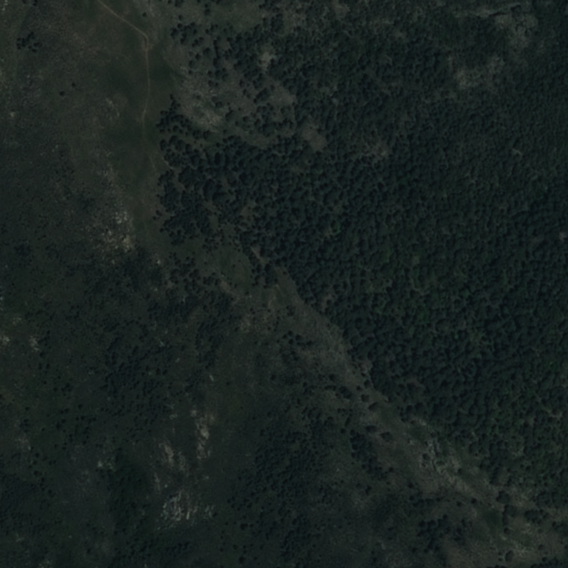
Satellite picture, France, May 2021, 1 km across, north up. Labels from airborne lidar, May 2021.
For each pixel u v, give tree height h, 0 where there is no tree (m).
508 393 9
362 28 8
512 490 0
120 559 12
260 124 11
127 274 8
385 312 11
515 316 19
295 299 0
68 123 0
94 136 0
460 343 23
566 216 14
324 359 0
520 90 15
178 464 0
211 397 0
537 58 6
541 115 10
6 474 10
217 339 13
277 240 18
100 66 0
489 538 0
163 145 12
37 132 0
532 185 7
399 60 17
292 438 11
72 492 0
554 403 24
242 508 8
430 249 17
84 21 0
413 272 23
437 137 16
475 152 16
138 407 11
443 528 18
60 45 0
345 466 0
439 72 18
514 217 13
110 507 6
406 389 25
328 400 0
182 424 0
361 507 0
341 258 16
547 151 8
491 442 13
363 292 10
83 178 0
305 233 23
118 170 0
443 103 6
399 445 0
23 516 12
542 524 17
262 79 16
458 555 0
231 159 25
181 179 13
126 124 0
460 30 8
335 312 16
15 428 0
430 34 12
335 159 26
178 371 0
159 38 0
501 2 8
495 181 18
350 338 22
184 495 0
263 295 0
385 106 29
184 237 9
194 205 15
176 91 0
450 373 22
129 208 0
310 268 31
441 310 11
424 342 26
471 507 0
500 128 14
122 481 11
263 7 15
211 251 8
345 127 21
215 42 12
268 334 0
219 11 0
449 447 0
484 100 11
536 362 28
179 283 8
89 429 10
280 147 18
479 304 22
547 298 21
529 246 20
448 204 15
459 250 14
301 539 15
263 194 22
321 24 10
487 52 12
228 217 15
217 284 10
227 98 0
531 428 27
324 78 7
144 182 0
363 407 0
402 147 15
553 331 14
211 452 0
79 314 9
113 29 0
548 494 22
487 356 30
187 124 9
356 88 16
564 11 9
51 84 0
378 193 21
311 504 7
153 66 0
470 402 28
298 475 13
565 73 16
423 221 15
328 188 25
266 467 11
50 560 7
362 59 15
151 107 0
